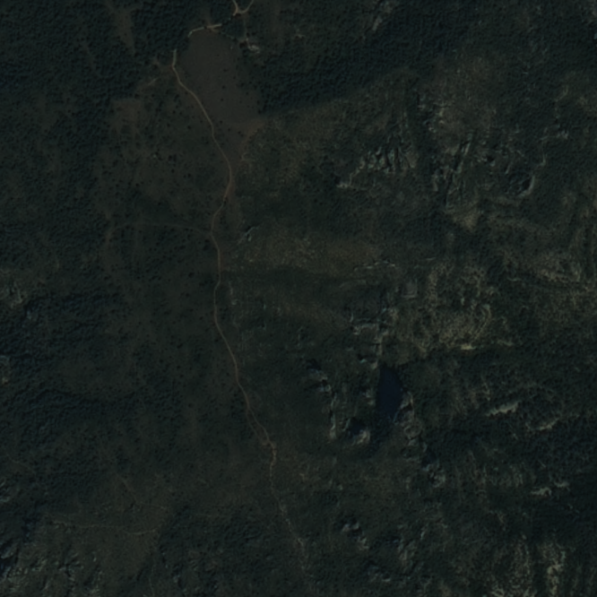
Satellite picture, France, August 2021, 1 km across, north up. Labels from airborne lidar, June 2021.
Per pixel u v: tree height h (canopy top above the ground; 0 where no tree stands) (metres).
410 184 6
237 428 0
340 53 8
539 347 10
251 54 9
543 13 12
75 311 7
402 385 7
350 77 6
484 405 9
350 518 9
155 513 0
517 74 7
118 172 0
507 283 7
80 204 6
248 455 0
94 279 5
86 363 0
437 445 7
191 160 0
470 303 6
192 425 0
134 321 0
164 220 0
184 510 7
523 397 10
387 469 0
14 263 6
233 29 7
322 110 0
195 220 0
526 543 5
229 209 0
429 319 13
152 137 6
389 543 7
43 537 7
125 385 0
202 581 6
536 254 7
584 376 10
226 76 0
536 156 6
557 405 12
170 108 0
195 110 0
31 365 8
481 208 8
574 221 9
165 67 0
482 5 8
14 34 7
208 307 0
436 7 7
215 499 0
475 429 6
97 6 8
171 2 10
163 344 0
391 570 6
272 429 0
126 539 0
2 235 11
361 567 7
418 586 9
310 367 7
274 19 0
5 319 6
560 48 7
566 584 6
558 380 7
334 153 7
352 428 6
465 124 6
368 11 7
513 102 6
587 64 12
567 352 13
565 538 6
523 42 7
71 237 6
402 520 10
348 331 7
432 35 9
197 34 0
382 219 6
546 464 7
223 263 0
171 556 0
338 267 0
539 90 9
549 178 8
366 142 7
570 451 10
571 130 8
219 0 10
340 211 8
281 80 7
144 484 0
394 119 6
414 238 5
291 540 0
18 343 10
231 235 0
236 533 6
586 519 6
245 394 0
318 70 8
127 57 8
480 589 10
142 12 7
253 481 0
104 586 5
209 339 0
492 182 10
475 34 6
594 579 6
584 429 10
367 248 0
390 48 7
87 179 6
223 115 0
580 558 8
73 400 9
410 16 9
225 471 0
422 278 7
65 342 6
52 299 6
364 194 8
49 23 6
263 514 0
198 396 0
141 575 10
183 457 0
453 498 6
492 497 8
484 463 8
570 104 9
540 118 7
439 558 7
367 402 9
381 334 10
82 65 8
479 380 7
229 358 0
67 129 6
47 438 6
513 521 9
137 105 0
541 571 9
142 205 0
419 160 9
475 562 6
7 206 7
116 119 0
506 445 7
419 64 7
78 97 6
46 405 7
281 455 0
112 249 0
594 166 7
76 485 8
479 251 7
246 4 6
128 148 0
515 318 6
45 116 0
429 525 7
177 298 0
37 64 5
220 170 0
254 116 0
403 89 7
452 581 7
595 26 8
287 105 7
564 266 7
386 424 8
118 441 0
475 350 7
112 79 7
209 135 0
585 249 8
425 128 7
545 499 7
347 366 9
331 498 9
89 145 5
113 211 0
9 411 8
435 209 12
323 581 7
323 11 8
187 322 0
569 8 7
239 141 0
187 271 0
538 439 11
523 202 6
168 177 0
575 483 7
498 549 7
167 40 8
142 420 0
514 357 8
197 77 0
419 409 7
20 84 7
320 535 13
